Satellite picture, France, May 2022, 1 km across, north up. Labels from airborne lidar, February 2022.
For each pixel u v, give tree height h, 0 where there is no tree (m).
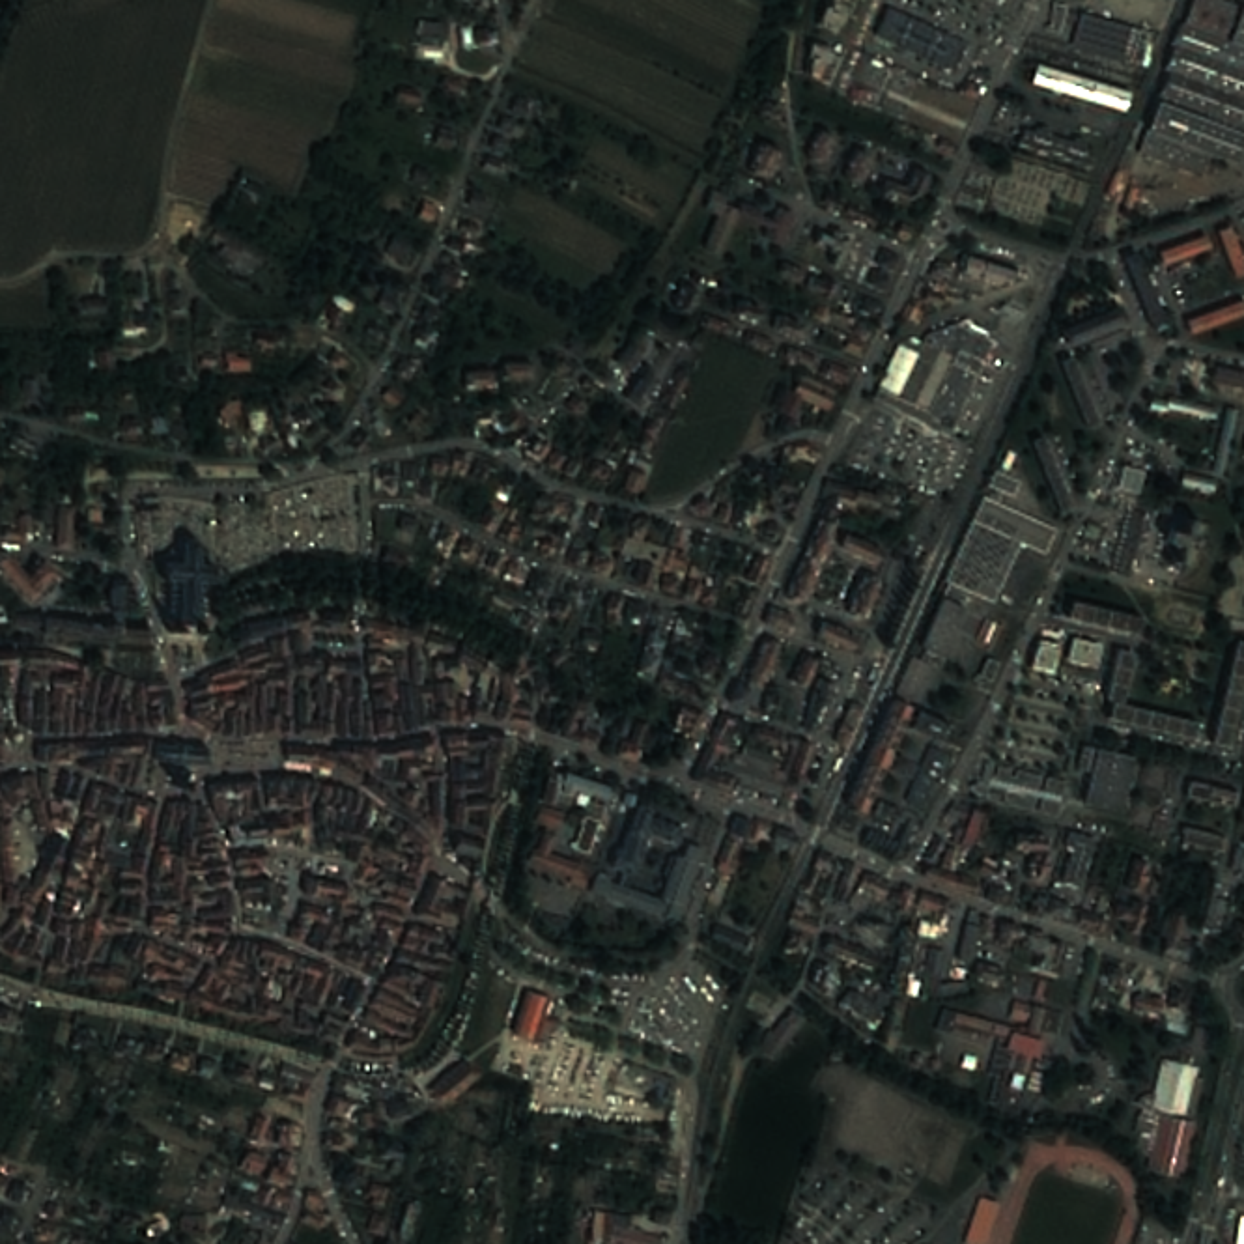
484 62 0
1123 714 0
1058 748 8
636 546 0
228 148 0
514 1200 0
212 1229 0
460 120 9
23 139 0
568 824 8
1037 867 0
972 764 0
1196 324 0
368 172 0
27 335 9
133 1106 0
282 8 0
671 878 0
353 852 0
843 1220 0
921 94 0
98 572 16
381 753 0
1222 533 0
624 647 0
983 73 0
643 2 0
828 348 0
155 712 0
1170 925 0
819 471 0
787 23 14
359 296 12
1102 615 0
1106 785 0
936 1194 0
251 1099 0
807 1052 0
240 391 9
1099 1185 0
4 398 13
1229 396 0
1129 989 0
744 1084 0
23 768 0
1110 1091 0
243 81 0
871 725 0
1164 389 0
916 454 0
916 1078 6
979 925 0
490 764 0
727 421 0
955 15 0
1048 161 0
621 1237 0
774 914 0
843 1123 0
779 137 0
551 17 0
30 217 0
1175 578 0
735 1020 0
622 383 0
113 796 0
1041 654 0
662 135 0
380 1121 0
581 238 0
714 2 0
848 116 0
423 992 0
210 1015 11
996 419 0
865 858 0
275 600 16
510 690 0
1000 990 0
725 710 0
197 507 0
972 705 0
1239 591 0
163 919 0
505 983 0
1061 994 0
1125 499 0
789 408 0
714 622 12
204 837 0
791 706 0
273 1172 0
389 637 0
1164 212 0
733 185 10
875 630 0
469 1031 0
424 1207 0
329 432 12
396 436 0
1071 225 0
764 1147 0
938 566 0
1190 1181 16
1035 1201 0
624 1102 0
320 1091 0
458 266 9
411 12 0
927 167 0
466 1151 0
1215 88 0
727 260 12
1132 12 0
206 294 0
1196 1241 0
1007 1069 0
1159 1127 0
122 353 0
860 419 0
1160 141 0
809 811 14
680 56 0
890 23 0
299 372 11
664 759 10
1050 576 0
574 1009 12
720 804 0
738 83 6
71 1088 0
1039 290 0
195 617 0
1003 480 0
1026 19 0
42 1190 0
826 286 0
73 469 7
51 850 0
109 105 0
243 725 0
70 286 0
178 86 0
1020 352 0
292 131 0
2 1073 0
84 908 0
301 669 0
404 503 0
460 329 9
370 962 0
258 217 0
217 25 0
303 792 0
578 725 0
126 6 0
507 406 8
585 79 0
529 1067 0
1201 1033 0
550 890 0
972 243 11
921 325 0
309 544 0
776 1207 0
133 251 0
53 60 0
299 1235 0
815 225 0
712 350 0
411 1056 0
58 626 0
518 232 0
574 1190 0
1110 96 0
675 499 0
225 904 0
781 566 0
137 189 0
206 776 0
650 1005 0
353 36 0
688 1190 0
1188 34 0
